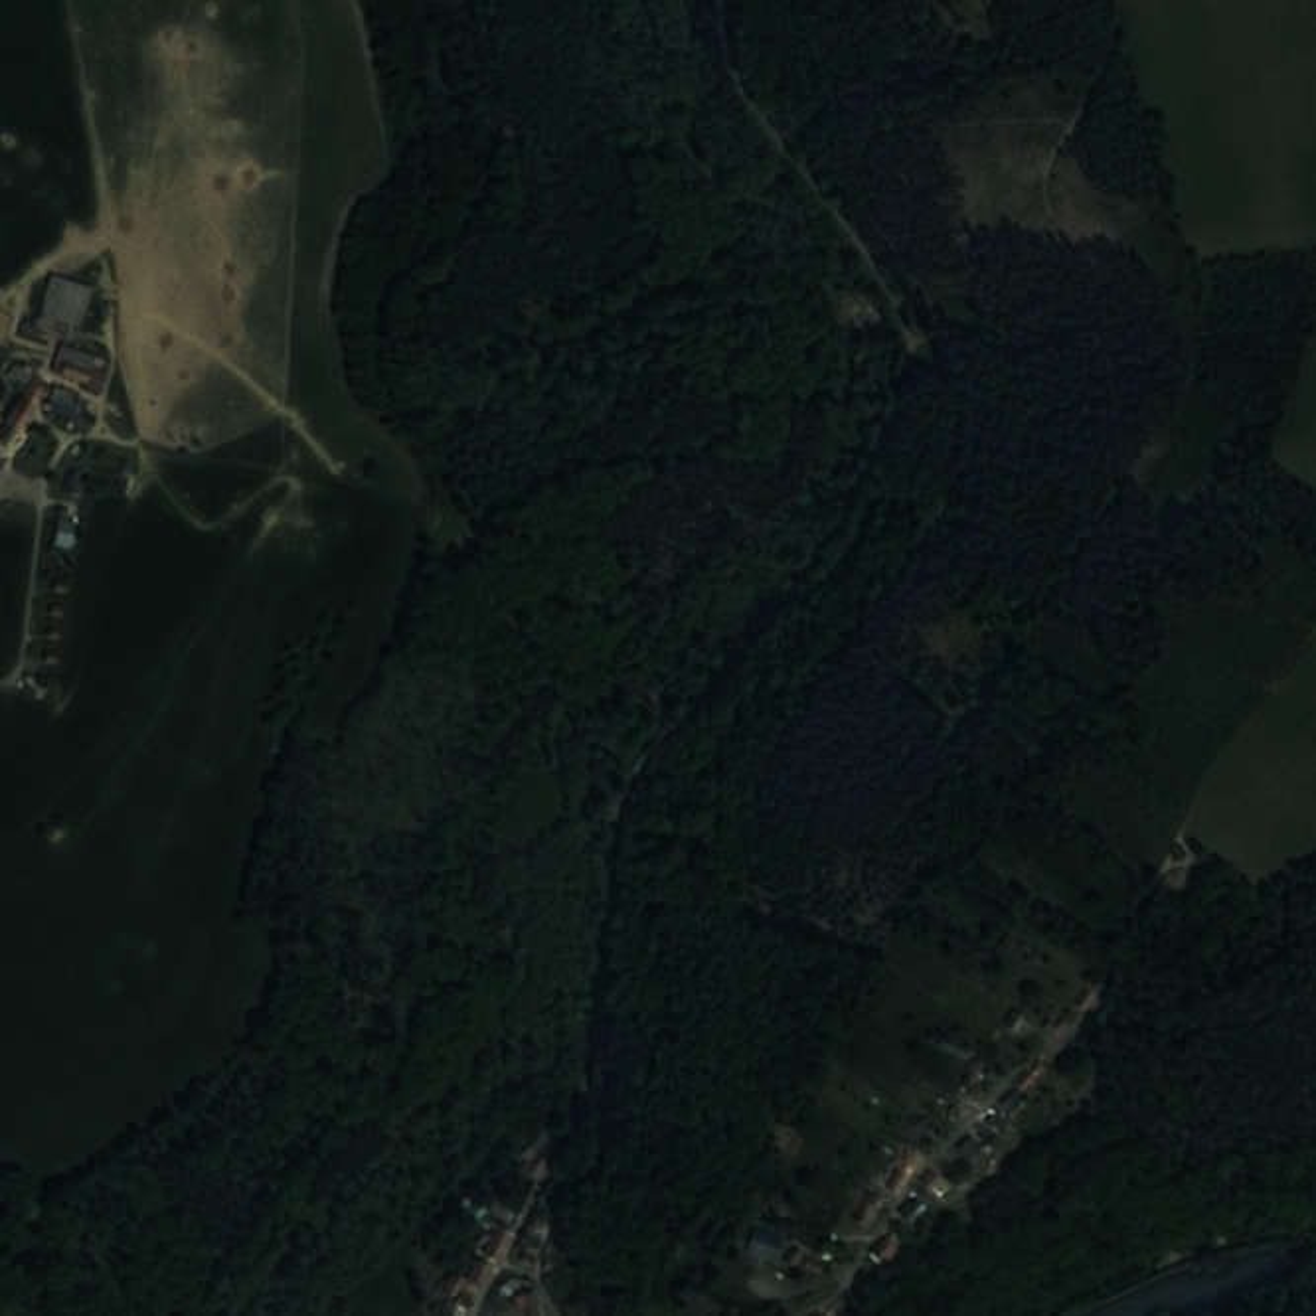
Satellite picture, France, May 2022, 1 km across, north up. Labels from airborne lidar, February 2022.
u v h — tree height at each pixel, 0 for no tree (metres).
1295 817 0
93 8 0
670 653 16
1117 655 15
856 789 30
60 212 0
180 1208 26
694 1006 28
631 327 30
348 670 0
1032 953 7
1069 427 22
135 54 0
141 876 0
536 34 16
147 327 0
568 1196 16
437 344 12
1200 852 15
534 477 15
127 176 0
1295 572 0
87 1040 0
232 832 0
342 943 27
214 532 0
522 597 32
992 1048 8
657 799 18
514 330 13
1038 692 23
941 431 25
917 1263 21
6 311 0
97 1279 32
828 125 39
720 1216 18
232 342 0
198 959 0
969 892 21
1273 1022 24
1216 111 0
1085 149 9
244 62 0
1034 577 30
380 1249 13
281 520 0
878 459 22
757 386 31
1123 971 15
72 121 0
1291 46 0
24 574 0
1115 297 32
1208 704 0
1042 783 22
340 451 0
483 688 28
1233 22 0
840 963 23
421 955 29
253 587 0
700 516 33
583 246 12
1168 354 28
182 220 0
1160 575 21
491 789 27
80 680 0
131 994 0
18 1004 0
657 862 32
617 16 19
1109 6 8
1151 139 12
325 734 0
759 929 29
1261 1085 21
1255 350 7
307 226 0
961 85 30
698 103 0
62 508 7
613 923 21
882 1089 0
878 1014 0
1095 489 29
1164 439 0
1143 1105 34
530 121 15
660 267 26
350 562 0
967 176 0
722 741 21
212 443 0
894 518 27
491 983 22
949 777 25
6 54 0
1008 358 25
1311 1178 24
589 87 11
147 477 0
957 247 26
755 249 21
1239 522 18
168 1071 0
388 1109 22
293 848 18
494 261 10
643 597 25
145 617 0
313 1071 28
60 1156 0
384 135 0
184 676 0
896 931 18
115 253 0
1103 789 0
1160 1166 27
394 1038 21
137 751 0
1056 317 29
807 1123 21
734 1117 24
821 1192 0
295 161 0
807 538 23
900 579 35
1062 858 0
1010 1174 19
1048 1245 35
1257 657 0
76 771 0
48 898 0
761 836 34
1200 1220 29
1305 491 8
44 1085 0
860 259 15
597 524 30
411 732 19
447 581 29
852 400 18
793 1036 20
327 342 0
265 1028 27
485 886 28
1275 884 14
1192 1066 26
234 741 0
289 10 0
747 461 34
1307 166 0
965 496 26
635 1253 16
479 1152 15
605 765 22
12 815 0
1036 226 0
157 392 0
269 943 13
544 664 28
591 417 24
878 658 32
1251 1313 23
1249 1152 27
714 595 9
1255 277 6
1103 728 18
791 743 30
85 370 0
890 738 33
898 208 32
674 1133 30
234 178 0
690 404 16
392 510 0
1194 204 0
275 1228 23
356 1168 28
